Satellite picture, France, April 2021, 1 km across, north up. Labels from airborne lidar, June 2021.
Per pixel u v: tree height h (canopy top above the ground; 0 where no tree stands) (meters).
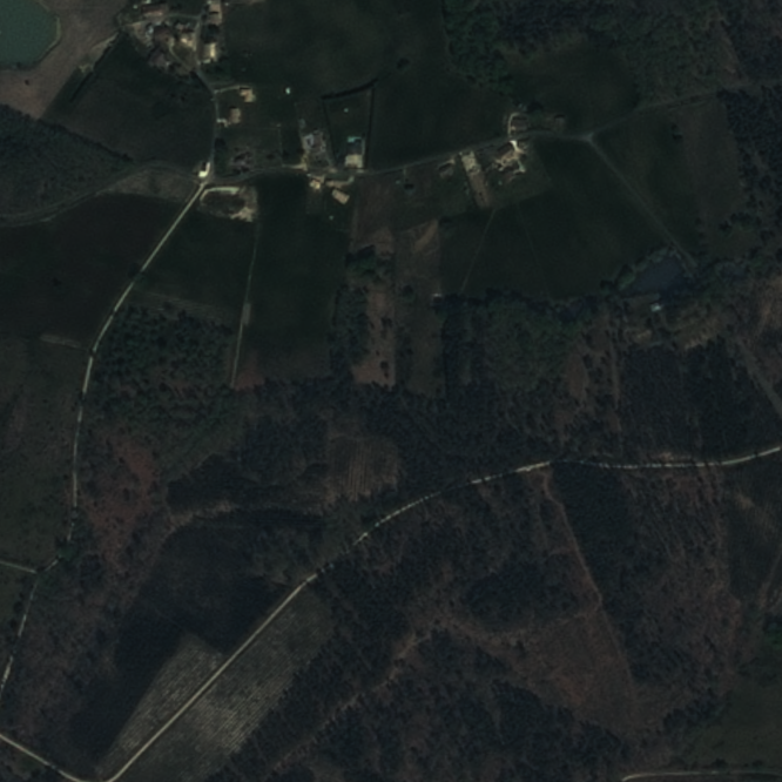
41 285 0
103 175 7
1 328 0
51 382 0
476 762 26
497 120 0
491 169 0
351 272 10
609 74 0
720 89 10
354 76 0
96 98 0
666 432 13
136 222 0
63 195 12
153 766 0
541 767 16
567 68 0
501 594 0
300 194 0
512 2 11
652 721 0
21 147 23
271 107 0
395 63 0
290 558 15
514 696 19
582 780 10
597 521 19
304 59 0
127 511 0
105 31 0
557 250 0
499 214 0
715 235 0
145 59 0
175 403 18
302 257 0
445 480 15
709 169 0
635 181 0
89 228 0
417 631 10
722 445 9
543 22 17
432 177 0
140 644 7
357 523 16
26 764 0
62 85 0
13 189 12
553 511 0
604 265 0
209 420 18
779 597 0
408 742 14
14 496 0
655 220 0
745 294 13
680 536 13
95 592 8
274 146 0
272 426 22
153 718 0
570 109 0
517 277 0
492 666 0
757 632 0
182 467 15
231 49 0
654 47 20
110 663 0
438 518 8
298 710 15
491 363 14
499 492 0
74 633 12
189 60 0
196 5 0
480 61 20
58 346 0
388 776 23
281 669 0
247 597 6
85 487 10
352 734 19
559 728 8
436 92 0
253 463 19
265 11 0
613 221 0
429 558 14
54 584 10
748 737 0
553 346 22
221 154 12
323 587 12
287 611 0
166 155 0
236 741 0
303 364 0
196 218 0
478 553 14
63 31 0
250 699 0
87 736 6
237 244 0
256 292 0
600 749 13
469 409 20
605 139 0
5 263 0
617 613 13
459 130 0
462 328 20
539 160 0
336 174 0
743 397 20
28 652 10
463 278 0
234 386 0
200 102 0
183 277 0
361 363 22
